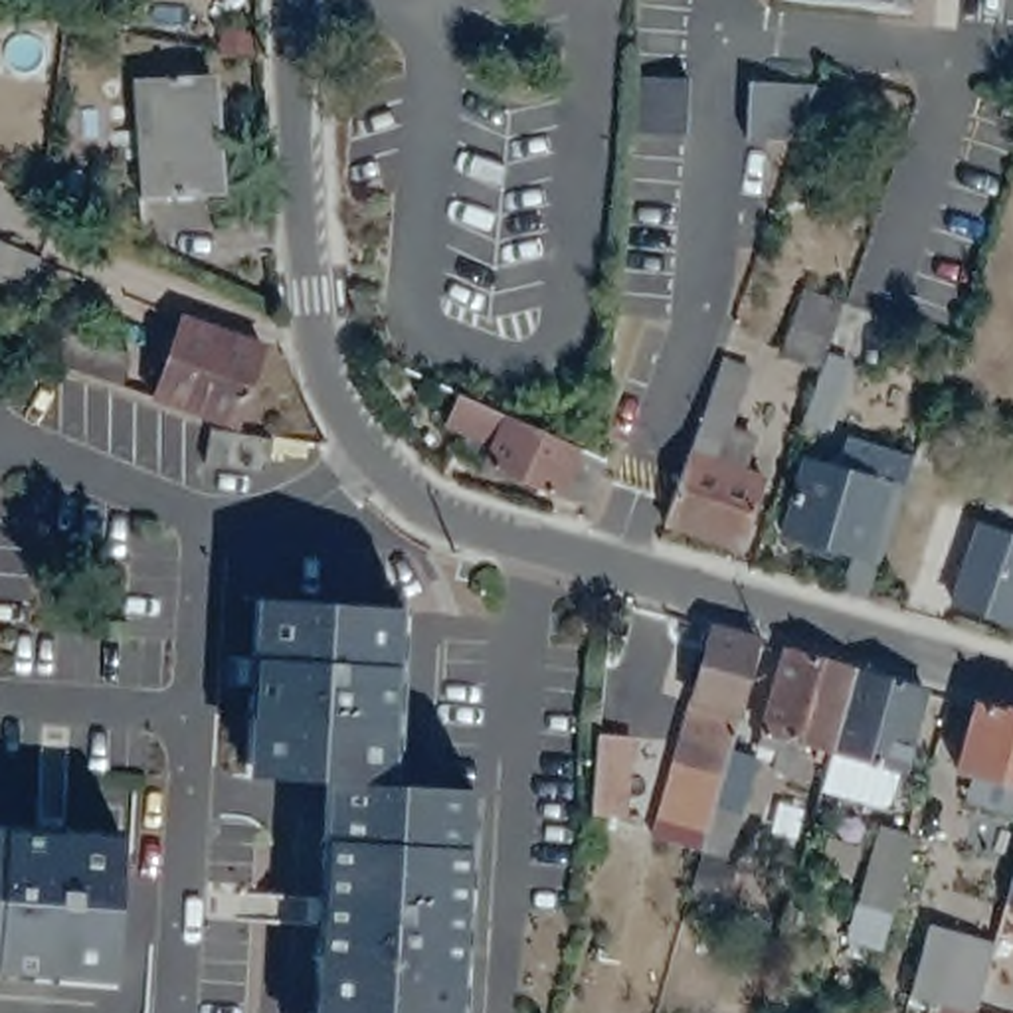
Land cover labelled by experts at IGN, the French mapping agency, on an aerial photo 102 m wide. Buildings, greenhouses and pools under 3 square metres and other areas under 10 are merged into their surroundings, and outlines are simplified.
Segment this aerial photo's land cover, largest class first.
<instances>
[{"label":"impervious surface","instance_id":"1","mask_svg":"<svg viewBox=\"0 0 1013 1013\"><path fill-rule=\"evenodd\" d=\"M245 8V0H158V8L150 12V28L190 36H210L214 16ZM621 0H546L534 24H491L499 0H261V63L273 162L289 170V214H277L273 230L241 222L218 230L210 222V202L154 206L146 222L178 253H198L214 265H230L237 257H273L277 293L293 313H301V328L293 332L277 324L273 317H265L261 305L233 297L226 289L174 273H154L138 261H111L95 265L75 253H63V245L44 226H36L32 214L16 202L0 182V245L28 253L36 265L55 257V277L99 281L127 317H142L138 340V388H123L115 380L87 376L75 368L67 372L63 396L51 400V392H40L32 404H20L12 412L0 408V621H12V609L28 605V590L36 586L32 570H83V530L95 518L111 534V554L123 566V590L131 598L127 613L138 617L127 645L59 641L51 649L44 641H20V677L0 681V827H20L44 839L99 831L123 851L131 886V942L127 966L115 977L119 993L36 989L32 981L16 985L0 977V1013H321L317 902L321 886H332L336 859L324 851V783L273 787V780L253 772L245 700L257 601L384 609H396L404 601L400 633L412 653V700L408 752L400 764L412 776L427 772L435 780L431 787H475L487 803L483 890L471 902L475 962L467 969V997L479 1013H507L518 997L522 922L534 906H558L554 894L562 890L578 851L566 839L562 807L574 799L570 783L578 780V740H570V728L582 720L586 661V653L578 649L546 645V629L558 621V598L566 594L590 601L613 590L625 601V637L613 653L601 657V665L613 673L609 685H601V696L609 700L601 724L609 736L633 740L641 760L629 791L649 799V815H661L685 712L692 704L696 677L704 665L708 633L724 625L752 629L768 641L760 673L752 677V716L736 724V756H752L768 736V696L783 649H803L811 657L882 673L902 685L922 681L926 689H942V728H934L918 752L934 760V799L922 807V819H910V811H902L898 799L902 780L890 768L811 748V780H819L827 795L875 811L863 843H878L886 855L902 863L898 898L910 890H926L930 902L926 910H918L910 946L898 962V985L910 993L930 930L997 942L1001 914L1005 906H1013V827H989V819H981L977 811H962V803H969V776L954 780V756H962L966 728L977 704L1013 708V665L997 657H973L962 645L914 637L878 621H863L851 613H835L811 601H795L772 590H756L692 566L653 558V542L665 538V518L685 459L696 443L700 419L708 412L712 388L720 380V368L744 360L740 352H728V328L740 317L748 285L764 257V233L772 226V214L760 210V198L768 194L776 166L787 154V142L768 138L760 154L748 146V87L791 83L795 75L811 71L815 47L831 51L851 67L890 83H910L918 103L914 111L910 166L902 170L886 218L878 226H867L859 230V285H851L843 301L871 313L863 328V348L875 352H886L902 328L918 324L954 332L958 313L973 293V273L981 265L966 257L969 230L954 226L958 210H981L985 198L997 194V182H1009L1013 174V0H906V16L898 20L839 4L811 8L791 0H637L633 47H645V71L649 79H685L689 87L685 135H645L641 190L633 202L629 313L649 321V336L641 340L629 388L621 392V404L629 412H637V427L629 435V471L605 467V479H621L625 491H613L609 510L598 526L590 538H582L455 503L392 455L400 439V435H392L368 412L360 388L348 376L344 356L340 328L348 324V273L340 190H348L352 182H376L380 170L396 178L392 241V344L412 356L423 352L435 364L475 360L483 368H495V384L507 388L570 392L582 380L586 360L601 336L594 289L605 277L609 253L621 99L613 91V40ZM340 20H376L400 40L408 59L404 79L392 83L384 99L364 111L368 123H332L324 115L309 119L313 71L305 55L321 36H332ZM554 51L570 55L578 67V91L558 107H530L514 115L499 99H483L467 87V67L479 55L534 59ZM206 321L237 336L257 332L265 344H277L285 352V364L297 376L305 408L321 431V443L273 439L269 467L257 459L226 463V443L214 439V431H222L226 423H202L194 412L170 408L154 392L178 321ZM131 522H166L174 526V538L150 546L146 554H131ZM475 562H487L503 578H510V609L503 621H483L487 601L479 590L467 586V570ZM107 768L123 776H146L150 795H103L95 772ZM16 36L44 51L40 67L20 71L12 63L8 47ZM55 44L51 24H0V71L24 83L47 79ZM993 526L1013 534V499L997 510L977 503L958 510L954 503H942L922 546L918 578L910 586L906 605H898L910 617L946 621V590L962 574L973 530Z\"/></svg>","mask_w":1013,"mask_h":1013},{"label":"building","instance_id":"2","mask_svg":"<svg viewBox=\"0 0 1013 1013\"><path fill-rule=\"evenodd\" d=\"M811 8L839 4L898 20L906 16V0H791ZM135 99L142 131V174L138 206L146 222L154 206L210 202L230 194L226 91L214 87L210 71L138 79ZM689 87L685 79H649L645 71V135H685ZM815 91L811 83H791L748 87V146L760 154L768 138L787 142L791 119V107L799 99H811ZM55 257L36 265L28 253L0 245V305L32 301L55 277ZM871 313L843 301L807 293L787 332V344L776 348L783 360H795L799 372H819L803 419V435L815 439L835 431L851 415L843 388L855 372L867 368L875 352L863 348V328ZM265 344L257 332L237 336L206 321H178L154 392L170 408L194 412L202 423H226L233 415L237 396H245L249 384L261 376ZM67 372L75 368L87 376L115 380L123 388H138V340L115 352L91 348L79 336H63ZM748 388L744 360L720 368V380L712 388L708 412L700 419L696 443L685 459L665 518V538L689 550L748 562L756 518L772 483L748 467V459L756 455V435L736 427L740 396ZM451 431L479 443V455L487 459L483 475L522 483L534 495H542L554 491L574 499V514L598 526L609 510L613 491H625L621 479H605V467L586 463L590 451L475 400H459L451 408ZM847 455H855L847 471L807 455L799 459L795 499L780 514L787 554L807 550L819 558H847L851 570L843 594L871 598L878 570V562L886 558V514L890 503L906 491L914 451L894 431L863 427L859 439H847ZM214 439L226 443V463L257 459L269 467L273 439L222 431H214ZM946 621H973L989 637L1013 641V534L993 526L973 530L962 574L946 590ZM404 601L396 609H384L257 601L245 700L253 772L273 780V787L324 783V851L336 859L332 886H321L317 902L321 1013H479L467 997V969L475 962L471 902L483 890L487 803L475 787H431L435 780L427 772L412 776L400 764L408 752L412 700V653L400 633ZM768 641L752 629L724 625L708 633L704 665L696 677L692 704L685 712L661 815H649V799L629 791L641 760L633 740L609 736H601L598 744L594 780V815L605 823L609 835L621 823H641L649 827L653 855L677 843L685 855H728L748 819L760 815L764 823L780 839H795L803 827L811 780V748L890 768L902 780L918 752L934 728H942V689H926L922 681L902 685L882 673L811 657L803 649H783L768 696V736L752 756H736V724L752 716V677L760 673ZM969 776V803H962V811H977L981 819H989V827H1013V708L977 704L966 728L962 756H954V780ZM131 942V886L123 851L99 831L44 839L20 827H0V977L16 985L32 981L36 989L119 993L115 977L127 966ZM827 855L839 863L843 878H851V894H859L847 930V946L863 958L867 950L886 946L890 910L898 898L902 863L886 855L878 843H847L835 831L827 839ZM997 942L930 930L910 993V1013H981L989 1009L985 973L997 958Z\"/></svg>","mask_w":1013,"mask_h":1013},{"label":"deciduous trees","instance_id":"3","mask_svg":"<svg viewBox=\"0 0 1013 1013\"><path fill-rule=\"evenodd\" d=\"M158 8V0H0V24H51L55 44L47 79L40 142L59 162L71 158L67 123L75 115V87L63 71L87 59L91 67H103L115 79H123L127 55L154 51L146 36H131V28H150V12ZM261 0H245V8L214 16L210 36H190L186 44L202 59H210V51L230 32L261 36ZM546 0H499L491 24H534ZM313 71L309 119L324 115L332 123H368L364 111L384 99L392 83L404 79L408 59L400 40L376 20H340L332 36H321L305 55ZM467 87L483 99H499L514 115L530 107H558L578 91V67L570 55L554 51L534 59L479 55L467 67ZM230 194L210 202V222L218 230L241 222L273 230L277 214H289V170L273 162L261 63L249 67V83H233L226 91ZM914 111L910 103L890 107L882 91L875 99L851 103L839 115H815L807 123L791 119L787 142V154L776 166L768 194L760 198V210L772 214V226L764 233V257H780L787 241V202H803L815 222L827 226L863 218L867 226H878L886 218L902 170L910 166ZM142 174L127 178L123 170L107 166L87 206L75 198L59 202L47 190H28L16 202L32 214L36 226H44L63 245V253H75L95 265L111 261V226L138 206ZM142 317H127L99 281L55 277L32 301L0 305V408L12 412L20 404H32L40 392H51V400L63 396L67 372L63 336H79L91 348L115 352L138 340ZM973 340L954 332L918 324L902 328L886 352H875L867 368L855 372L878 380L890 368H910V412L894 431L914 451L930 459L934 479L942 483L958 479L962 471L1001 475V467L1013 463V400L981 396L966 380V356ZM348 376L360 388L368 412L392 435H400L415 423L423 408H451L459 400H475L590 451H613L609 427H617L629 412L621 404V392L613 388L609 372V336H601L586 360L582 380L570 392L507 388L495 384V368H483L475 360L435 364L423 352L412 356L392 344H384L376 332L364 348L344 356ZM447 459H463L467 475H483L487 459L479 455V443L451 431L435 443L431 463L439 467ZM36 586L28 590V605L12 609V621H0V681L20 677V641H44L51 649L59 641L127 645L138 617L127 613L131 598L123 590V566L111 554V534L95 518L83 530V570H32ZM131 554H146L150 546L174 538V526L166 522H131ZM851 570L847 558H819L807 550L787 554H772L768 570L843 594ZM467 586L479 590L487 601L483 621H503L510 609V578H503L487 562H475L467 570ZM871 598L898 605H906L910 586L898 578L894 566L878 570ZM558 621L546 629V645L578 649L586 653V661L601 657L613 653L625 637V601L613 590L590 601L566 594L558 598ZM934 760L918 752L902 780L898 799L902 811H910V819H922V807L934 799ZM103 795H150L146 776H123L107 768L95 772ZM736 871L760 875L764 898L787 894L783 922L732 918L700 938L708 946L712 966L728 973H752L744 1013H886V989L878 981L867 993H855V985H839L827 973L835 969V962L827 954L823 918L835 914L839 930H847L859 894H851V878H843L839 863L827 855L799 847L795 839H780L764 823L748 855L736 863Z\"/></svg>","mask_w":1013,"mask_h":1013},{"label":"herbaceous vegetation","instance_id":"4","mask_svg":"<svg viewBox=\"0 0 1013 1013\"><path fill-rule=\"evenodd\" d=\"M131 36H146L154 51L127 55L123 79H115L103 67H91L87 59L63 71L75 87V115L67 123L71 158L59 162L40 142L0 150V182L16 202L28 190H47L59 202L75 198L87 206L107 166L123 170L127 178L142 174V131L135 99L138 79L210 71L214 87L226 91L233 83H249V67L261 63V36L230 32L210 51V59H202L186 44L190 36L150 28H131ZM882 91L890 107L910 103L914 111L918 103L910 83H890L851 67L847 75H835L815 91L811 99H799L791 107V119L807 123L815 115H839L851 103L875 99ZM989 313L977 321L973 340L966 356V380L981 396L1013 400V190L1009 206L997 218V237L985 253ZM867 226L863 218L827 226L815 222L803 202H787V241L780 257H764L748 285L740 317L728 328V352H740L744 360L748 388L740 396L736 427L756 435V455L748 459V467L772 483L799 372L795 360H783L776 348L772 332L791 297V285L803 273H847L859 249V230ZM392 241H380L368 277L348 273V324L340 328L344 356L364 348L376 332L384 344H392ZM649 336V321L629 313L613 321L609 336V372L613 388L621 392L629 388L641 340ZM273 439L321 443V431L305 408L297 376L285 364V352L277 344H265L261 376L249 384L245 396H237L233 415L226 423L222 431ZM910 368H890L878 380L855 372L843 388L851 415L835 431L815 439L807 455L847 471L855 455H847V439H859L863 427L894 431L910 412ZM637 427V412H629L617 427H609L613 451H590L586 463L605 467L629 471V435ZM1013 499V463L1001 467V475L962 471L958 479L942 483L934 479L930 459L914 451L906 491L890 503L886 514V558L878 562V570L894 566L898 578L910 586L918 578L922 546L942 503H954L958 510L977 503L997 510ZM764 823L760 815L748 819L728 855H685L677 843L653 855L649 827L641 823H621L609 835V855L586 875L590 910L609 926V938L598 950V962L578 977L582 993H566L570 1013H744L752 973H728L712 966L708 946L700 938L732 918L783 922L787 894L764 898L760 875L736 871V863L748 855ZM566 930V914L558 906H534L522 922L518 997L507 1013H538L546 1005L550 973L558 966V934ZM997 958L985 973L989 1009L981 1013H1013V906H1005L1001 914L997 942ZM827 954L835 962V969L827 973L839 985H855V993H867L878 981V969L863 958L847 946V930H839L835 914L823 918Z\"/></svg>","mask_w":1013,"mask_h":1013},{"label":"brushwood","instance_id":"5","mask_svg":"<svg viewBox=\"0 0 1013 1013\"><path fill-rule=\"evenodd\" d=\"M637 0H621L613 40V91L621 99L609 253L605 277L594 289L601 336H609L613 321L629 313L633 202L641 190L645 135V47H633ZM851 67L831 51L815 47L811 71L795 75L791 83H811L815 91L835 75H847ZM348 273L368 277L380 241H392L396 178L380 170L376 182H352L348 190H340ZM1013 190V174L1009 182H997V194L985 198L981 210H958L954 226L969 230L966 257L981 265L973 273V293L958 313L954 332L973 340L977 321L989 313L985 253L997 237V218L1009 206ZM111 261H138L154 273H174L226 289L233 297L261 305L265 317H273L277 324L293 332L301 328V313H293L277 293L273 257H237L230 265H214L198 253H178L146 222L138 206L111 226ZM859 249L847 273H803L791 285V297L772 332L776 348L787 344V332L807 293L843 301L851 285H859ZM819 372H799L772 483L756 518L748 562L756 570H768L772 554H787L780 514L795 499L799 459L807 455L815 439L803 435V419ZM451 431V408H423L415 423L400 435V439H408L412 451L423 463H431L435 443ZM443 479H455L471 491L499 495L530 510H554L542 495H534L522 483L483 475H467L463 459H447L439 467ZM613 673L601 665V657L586 661L582 720L570 728V740H578V780L570 783L574 799L562 807L566 839L578 851L562 890L554 894L558 906L566 914V930L558 934V966L550 973L546 1005L538 1013H570L566 993H582L578 977L598 962V950L609 938V926L590 910L586 875L609 855V835L605 823L594 815V780L598 744L601 736H609L601 724L609 700L601 696V685H609ZM875 811L827 795L819 780H811L803 827L795 839L799 847L827 855V839L835 831L847 843H863ZM930 902L926 890H910L898 898L890 910L886 946L867 950L863 958L878 969V981L886 989V1013H910V993L898 985V962L910 946L918 910H926Z\"/></svg>","mask_w":1013,"mask_h":1013},{"label":"pervious surface","instance_id":"6","mask_svg":"<svg viewBox=\"0 0 1013 1013\"><path fill-rule=\"evenodd\" d=\"M47 79L24 83L0 71V150L40 142ZM392 455L455 503L582 538H590L598 526L574 514V499L554 491L542 495L554 510H530L499 495L471 491L455 479H443L439 467L431 463H423L412 451L408 439H400ZM653 558L692 566L756 590H772L795 601H811L835 613H851L863 621H878L914 637L962 645L973 657H997L1013 665V641L989 637L973 621H946L910 617L898 605L871 598L843 594L768 570H756L748 562L689 550L665 538L653 542Z\"/></svg>","mask_w":1013,"mask_h":1013},{"label":"swimming pool","instance_id":"7","mask_svg":"<svg viewBox=\"0 0 1013 1013\"><path fill-rule=\"evenodd\" d=\"M12 63L20 71L40 67L44 51L16 36L8 47Z\"/></svg>","mask_w":1013,"mask_h":1013}]
</instances>
